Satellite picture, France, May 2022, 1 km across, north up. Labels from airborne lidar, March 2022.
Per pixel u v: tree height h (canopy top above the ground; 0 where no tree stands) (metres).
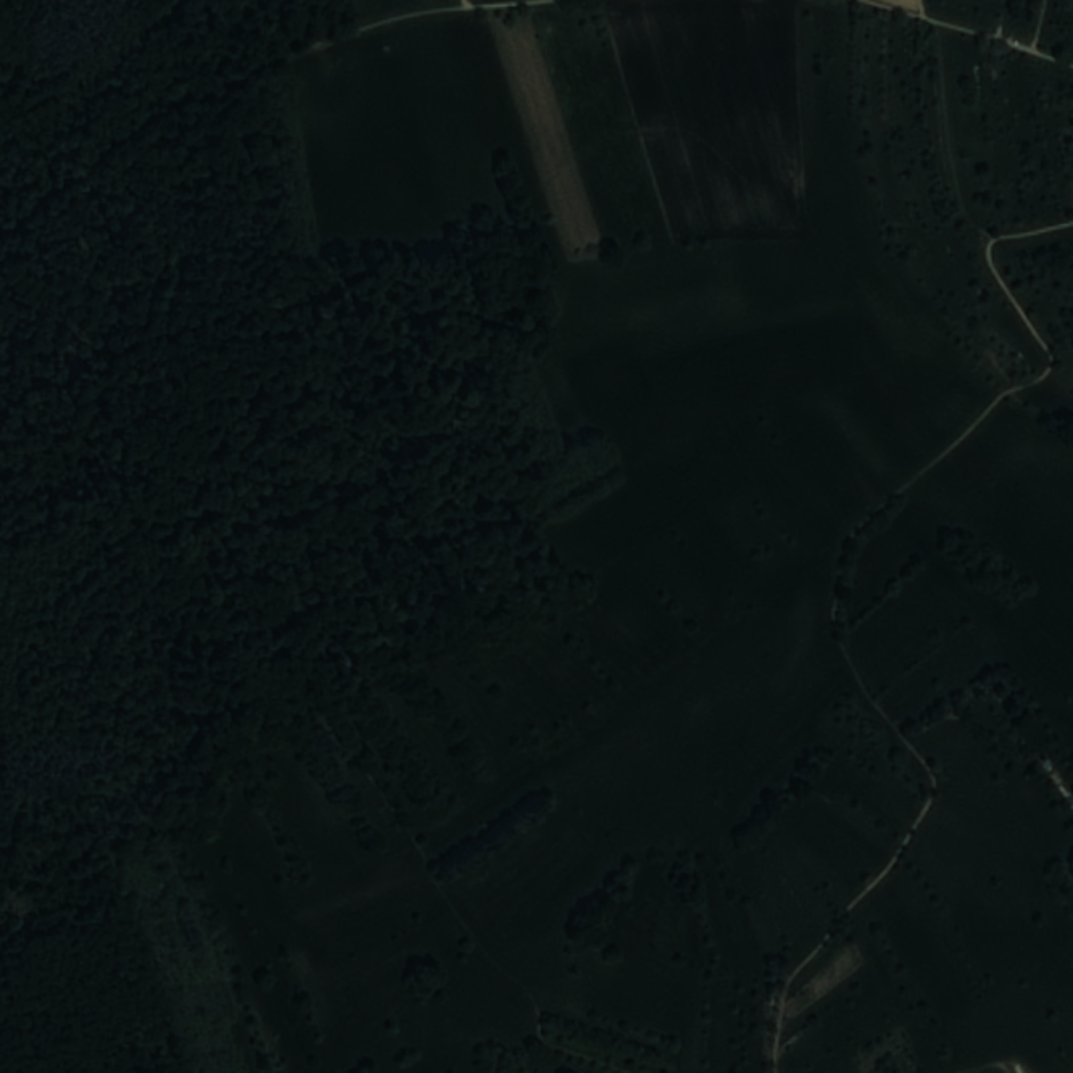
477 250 27
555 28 0
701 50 0
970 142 0
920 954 0
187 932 24
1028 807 0
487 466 44
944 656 0
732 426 0
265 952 0
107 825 28
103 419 32
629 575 0
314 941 0
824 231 0
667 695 0
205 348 31
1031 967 0
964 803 0
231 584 37
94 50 18
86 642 23
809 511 0
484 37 0
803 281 0
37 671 26
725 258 0
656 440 0
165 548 33
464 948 9
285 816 0
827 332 0
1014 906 0
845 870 0
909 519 0
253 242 24
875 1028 0
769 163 0
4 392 30
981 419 0
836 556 0
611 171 0
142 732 24
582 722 0
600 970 0
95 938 27
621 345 0
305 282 33
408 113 0
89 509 30
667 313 0
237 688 36
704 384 0
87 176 26
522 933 0
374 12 0
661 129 0
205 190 26
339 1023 0
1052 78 0
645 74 0
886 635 0
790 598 0
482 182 0
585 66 0
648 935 0
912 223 0
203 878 15
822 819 0
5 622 21
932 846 0
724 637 0
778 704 0
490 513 37
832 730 0
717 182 0
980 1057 0
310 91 0
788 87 0
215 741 30
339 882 0
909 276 0
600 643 0
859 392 0
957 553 17
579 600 12
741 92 0
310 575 36
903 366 0
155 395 34
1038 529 0
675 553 0
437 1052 0
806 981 0
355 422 38
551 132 0
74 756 26
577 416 0
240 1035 0
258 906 0
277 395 36
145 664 29
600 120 0
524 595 31
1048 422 18
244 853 0
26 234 27
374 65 0
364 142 0
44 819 24
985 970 0
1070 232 0
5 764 22
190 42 29
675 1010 0
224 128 30
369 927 0
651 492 0
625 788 0
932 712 11
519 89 0
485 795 0
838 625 9
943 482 0
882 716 0
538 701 0
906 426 0
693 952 0
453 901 0
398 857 0
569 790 0
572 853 0
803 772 16
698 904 9
